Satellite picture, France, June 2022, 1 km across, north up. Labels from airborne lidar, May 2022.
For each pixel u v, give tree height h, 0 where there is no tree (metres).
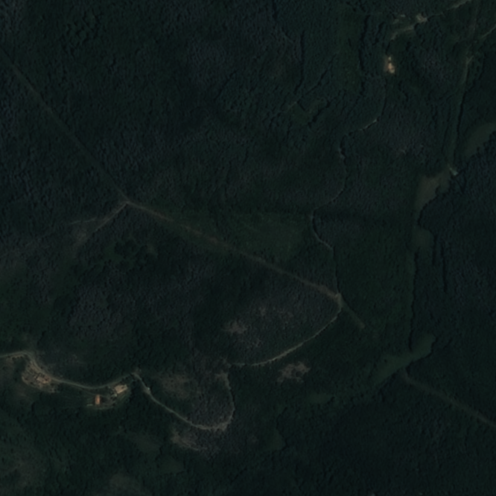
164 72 21
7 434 12
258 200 17
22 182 6
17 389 0
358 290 20
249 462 16
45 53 21
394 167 26
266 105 33
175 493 21
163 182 6
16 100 16
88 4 28
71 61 22
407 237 22
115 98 18
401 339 24
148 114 12
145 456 21
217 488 29
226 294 17
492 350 19
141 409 13
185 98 19
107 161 14
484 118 21
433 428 17
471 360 22
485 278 13
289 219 6
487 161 15
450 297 24
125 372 13
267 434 15
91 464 10
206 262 14
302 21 35
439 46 28
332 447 23
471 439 18
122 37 21
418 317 22
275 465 24
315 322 11
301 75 17
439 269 14
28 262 10
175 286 18
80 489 9
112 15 21
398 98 11
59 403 9
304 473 20
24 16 10
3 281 0
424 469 19
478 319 17
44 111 16
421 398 12
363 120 29
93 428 11
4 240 17
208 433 11
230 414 16
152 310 16
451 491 19
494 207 26
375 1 15
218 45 14
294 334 13
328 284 21
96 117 18
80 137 15
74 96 16
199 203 14
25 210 9
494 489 16
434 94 24
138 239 7
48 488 12
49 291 7
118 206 7
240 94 29
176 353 11
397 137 17
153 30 25
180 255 10
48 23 17
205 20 21
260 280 15
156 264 17
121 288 16
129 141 13
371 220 23
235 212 6
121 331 11
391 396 22
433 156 25
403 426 21
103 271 10
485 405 25
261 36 18
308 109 29
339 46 36
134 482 0
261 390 20
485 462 18
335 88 30
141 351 16
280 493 25
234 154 20
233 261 12
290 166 13
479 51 10
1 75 9
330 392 8
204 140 16
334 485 22
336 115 20
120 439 17
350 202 20
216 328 16
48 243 11
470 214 22
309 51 35
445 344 17
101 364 7
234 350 17
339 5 35
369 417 23
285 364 12
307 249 8
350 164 20
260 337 8
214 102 18
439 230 19
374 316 18
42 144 13
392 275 19
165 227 7
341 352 16
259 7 13
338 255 18
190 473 19
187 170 18
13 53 11
